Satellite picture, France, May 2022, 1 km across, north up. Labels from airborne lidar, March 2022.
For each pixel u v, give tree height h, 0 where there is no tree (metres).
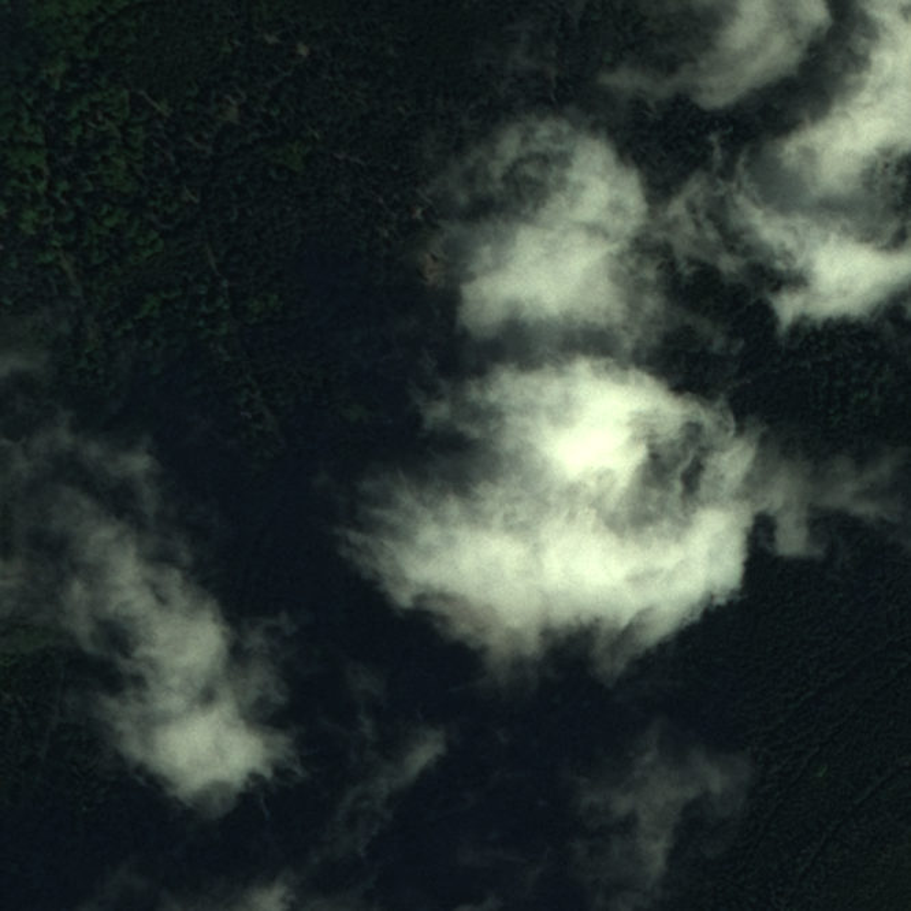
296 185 31
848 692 15
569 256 31
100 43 17
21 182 20
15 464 16
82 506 19
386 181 30
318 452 26
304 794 22
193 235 19
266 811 19
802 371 11
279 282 30
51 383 17
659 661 8
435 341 0
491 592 15
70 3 24
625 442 15
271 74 40
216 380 32
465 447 21
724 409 8
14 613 23
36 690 13
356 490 24
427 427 25
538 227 32
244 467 25
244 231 26
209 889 16
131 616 18
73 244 30
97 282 11
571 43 32
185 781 29
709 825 17
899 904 6
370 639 24
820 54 33
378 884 20
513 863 17
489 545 16
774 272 12
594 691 17
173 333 26
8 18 20
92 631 12
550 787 22
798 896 6
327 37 18
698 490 14
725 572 13
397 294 32
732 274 7
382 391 0
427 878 22
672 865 15
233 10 13
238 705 22
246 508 23
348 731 23
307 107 17
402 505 20
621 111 32
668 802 23
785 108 23
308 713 22
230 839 23
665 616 11
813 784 6
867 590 20
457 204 33
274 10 18
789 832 8
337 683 24
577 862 17
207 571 10
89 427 14
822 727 19
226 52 24
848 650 19
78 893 18
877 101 12
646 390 12
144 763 34
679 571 14
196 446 22
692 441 10
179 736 16
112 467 20
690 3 34
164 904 18
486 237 25
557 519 17
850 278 7
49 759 15
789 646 13
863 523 19
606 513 7
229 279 35
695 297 6
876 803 8
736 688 16
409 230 36
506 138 28
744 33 34
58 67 19
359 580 20
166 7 15
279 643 22
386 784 12
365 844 29
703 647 11
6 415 19
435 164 20
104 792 35
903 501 13
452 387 29
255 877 10
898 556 21
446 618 20
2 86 22
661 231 23
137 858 8
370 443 25
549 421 10
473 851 20
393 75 18
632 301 7
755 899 7
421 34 20
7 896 15
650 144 34
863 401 9
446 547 23
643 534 10
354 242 32
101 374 14
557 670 9
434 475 24
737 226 7
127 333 32
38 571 0
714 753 16
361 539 24
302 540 23
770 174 10
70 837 28
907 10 18
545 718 8
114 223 35
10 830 27
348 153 36
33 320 22
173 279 10
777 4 33
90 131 35
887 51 11
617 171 24
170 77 16
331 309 8
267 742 18
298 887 14
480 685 22
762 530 10
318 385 17
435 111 25
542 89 24
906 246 7
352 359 17
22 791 13
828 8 30
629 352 7
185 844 14
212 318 32
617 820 14
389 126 19
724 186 32
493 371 11
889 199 8
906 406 12
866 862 6
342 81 31
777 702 20
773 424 12
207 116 10
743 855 11
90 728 13
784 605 13
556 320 25
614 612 10
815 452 9
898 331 8
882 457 12
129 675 16
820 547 13
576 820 21
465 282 0
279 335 15
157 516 22
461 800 22
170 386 25
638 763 16
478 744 16
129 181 28
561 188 31
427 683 19
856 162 12
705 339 10
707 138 20
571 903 23
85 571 23
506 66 27
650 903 16
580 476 10
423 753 36
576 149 23
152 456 22
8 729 31
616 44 35
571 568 12
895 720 8
